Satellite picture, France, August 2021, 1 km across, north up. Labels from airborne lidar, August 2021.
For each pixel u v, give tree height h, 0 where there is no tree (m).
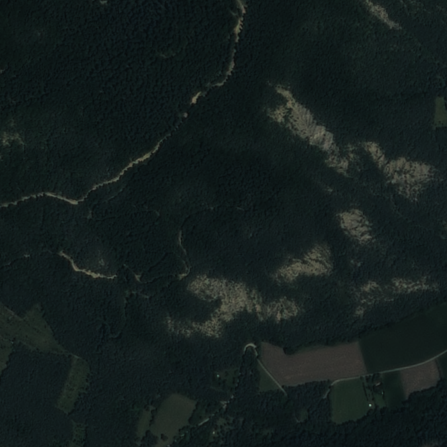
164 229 24
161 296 15
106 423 16
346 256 11
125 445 15
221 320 6
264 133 12
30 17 22
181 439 9
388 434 24
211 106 16
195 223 21
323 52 22
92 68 15
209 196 15
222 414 9
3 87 22
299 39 12
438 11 11
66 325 15
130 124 12
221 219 22
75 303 11
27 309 14
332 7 20
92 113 19
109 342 16
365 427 24
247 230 10
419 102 13
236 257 14
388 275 10
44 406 15
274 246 15
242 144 9
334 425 16
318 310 12
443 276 13
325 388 13
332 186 10
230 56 23
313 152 14
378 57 13
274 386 0
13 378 14
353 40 17
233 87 16
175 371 17
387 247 6
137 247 18
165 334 10
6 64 11
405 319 10
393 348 0
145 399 13
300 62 17
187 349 18
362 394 0
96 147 12
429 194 7
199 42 17
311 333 9
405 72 11
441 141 12
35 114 16
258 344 13
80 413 14
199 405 10
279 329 12
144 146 14
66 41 18
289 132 10
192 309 6
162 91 25
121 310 10
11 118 18
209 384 21
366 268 9
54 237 16
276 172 16
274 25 26
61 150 17
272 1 12
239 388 12
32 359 12
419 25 12
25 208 14
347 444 29
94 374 10
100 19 11
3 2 21
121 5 22
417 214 13
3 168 13
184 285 8
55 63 23
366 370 0
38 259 13
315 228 18
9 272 14
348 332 14
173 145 16
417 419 25
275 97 10
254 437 16
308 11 15
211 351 11
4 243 14
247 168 24
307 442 24
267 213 23
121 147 17
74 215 11
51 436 12
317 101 20
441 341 0
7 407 13
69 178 8
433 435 22
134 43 28
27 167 11
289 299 8
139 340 17
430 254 14
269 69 17
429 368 0
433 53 8
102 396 16
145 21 29
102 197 15
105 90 20
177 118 20
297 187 12
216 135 14
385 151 7
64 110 15
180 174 26
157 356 9
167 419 0
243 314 6
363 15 13
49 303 14
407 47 11
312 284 9
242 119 20
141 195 22
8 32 16
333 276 7
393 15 11
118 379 14
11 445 9
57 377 17
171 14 27
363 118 16
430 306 13
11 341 11
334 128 10
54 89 21
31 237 15
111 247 17
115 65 19
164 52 16
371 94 20
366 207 10
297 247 13
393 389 0
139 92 23
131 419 10
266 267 16
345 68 20
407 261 11
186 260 13
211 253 19
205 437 11
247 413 13
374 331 15
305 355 0
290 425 18
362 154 10
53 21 17
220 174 19
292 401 15
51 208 15
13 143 11
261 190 25
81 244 9
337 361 0
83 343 13
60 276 16
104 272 7
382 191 7
